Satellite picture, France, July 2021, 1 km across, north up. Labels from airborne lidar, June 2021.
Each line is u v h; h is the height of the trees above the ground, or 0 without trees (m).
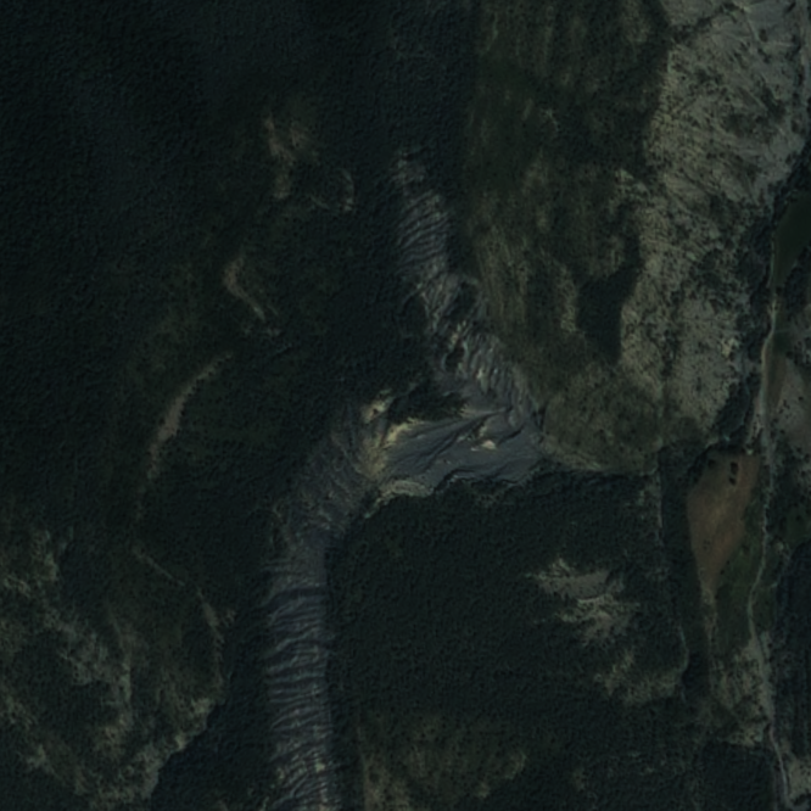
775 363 0
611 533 9
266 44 15
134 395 8
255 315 8
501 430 0
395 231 8
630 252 6
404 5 9
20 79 16
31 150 15
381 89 11
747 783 12
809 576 8
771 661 7
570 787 9
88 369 11
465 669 12
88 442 9
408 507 11
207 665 6
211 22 17
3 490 6
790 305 7
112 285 7
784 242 0
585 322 8
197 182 10
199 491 11
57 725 9
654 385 0
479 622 11
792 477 15
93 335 9
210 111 8
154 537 6
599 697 17
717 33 0
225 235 8
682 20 0
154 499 6
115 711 6
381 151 13
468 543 13
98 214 13
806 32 0
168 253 7
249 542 11
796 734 13
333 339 6
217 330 6
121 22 10
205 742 9
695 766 7
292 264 8
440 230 0
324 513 0
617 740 12
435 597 16
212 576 9
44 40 14
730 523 0
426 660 12
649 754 11
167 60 14
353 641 8
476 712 9
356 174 9
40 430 9
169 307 8
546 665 9
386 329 10
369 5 14
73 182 10
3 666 8
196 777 8
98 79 17
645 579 8
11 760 11
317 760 0
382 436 0
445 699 12
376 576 14
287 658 0
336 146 10
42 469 12
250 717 8
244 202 9
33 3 19
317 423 10
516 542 10
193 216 12
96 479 7
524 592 10
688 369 0
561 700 10
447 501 8
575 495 7
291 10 8
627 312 0
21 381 7
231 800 7
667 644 10
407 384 6
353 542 8
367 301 9
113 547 6
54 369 10
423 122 6
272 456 9
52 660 11
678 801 10
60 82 15
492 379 0
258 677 8
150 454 9
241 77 12
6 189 13
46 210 11
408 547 13
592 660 9
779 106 6
